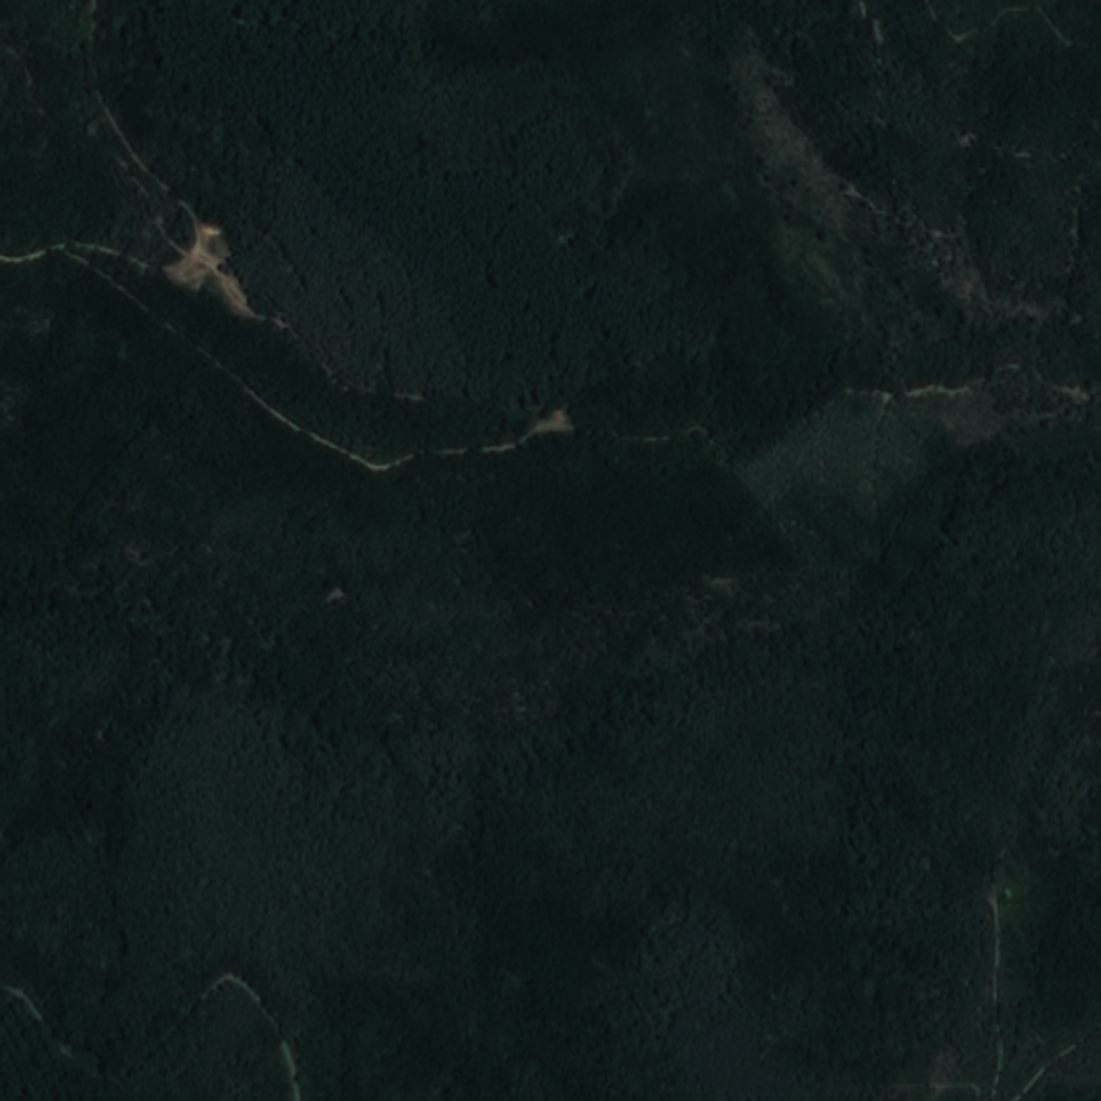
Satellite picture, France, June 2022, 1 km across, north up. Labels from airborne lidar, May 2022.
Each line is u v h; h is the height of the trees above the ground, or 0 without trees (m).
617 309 30
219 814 10
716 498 12
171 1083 15
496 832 15
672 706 17
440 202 29
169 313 7
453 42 13
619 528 11
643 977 19
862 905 18
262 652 18
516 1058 21
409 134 28
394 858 21
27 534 9
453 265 30
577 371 24
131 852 18
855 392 7
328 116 33
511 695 12
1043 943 11
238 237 15
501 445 16
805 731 18
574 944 14
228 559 17
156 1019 18
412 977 20
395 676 12
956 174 17
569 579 9
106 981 16
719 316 10
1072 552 12
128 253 8
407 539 13
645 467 6
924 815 15
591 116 16
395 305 21
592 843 14
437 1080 18
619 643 19
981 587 11
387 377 14
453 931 20
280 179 21
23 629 17
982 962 9
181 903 13
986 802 14
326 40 36
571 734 18
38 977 12
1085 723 14
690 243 8
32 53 8
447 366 23
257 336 10
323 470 7
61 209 15
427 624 12
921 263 15
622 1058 16
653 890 14
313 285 20
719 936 20
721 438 13
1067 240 16
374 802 21
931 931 17
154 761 20
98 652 18
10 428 8
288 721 18
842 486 10
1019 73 11
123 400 8
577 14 7
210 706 15
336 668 17
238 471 10
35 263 8
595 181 28
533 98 12
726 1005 17
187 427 19
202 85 32
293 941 19
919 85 16
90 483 9
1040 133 12
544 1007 20
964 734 16
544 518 12
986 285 8
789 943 15
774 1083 15
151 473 16
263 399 9
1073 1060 8
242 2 8
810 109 11
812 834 16
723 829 14
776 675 12
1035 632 8
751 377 17
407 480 16
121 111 11
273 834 15
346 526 11
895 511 10
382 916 16
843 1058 8
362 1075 18
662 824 12
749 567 9
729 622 14
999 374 13
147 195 9
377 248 23
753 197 6
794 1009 14
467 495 14
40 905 16
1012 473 20
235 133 14
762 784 15
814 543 14
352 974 16
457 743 25
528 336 29
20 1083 18
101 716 11
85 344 13
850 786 17
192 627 19
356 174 36
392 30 33
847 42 17
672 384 14
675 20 7
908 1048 6
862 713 13
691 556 13
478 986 20
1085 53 8
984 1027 8
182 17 33
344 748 21
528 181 31
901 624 20
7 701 10
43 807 19
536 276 32
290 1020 14
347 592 15
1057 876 8
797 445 11
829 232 12
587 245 23
